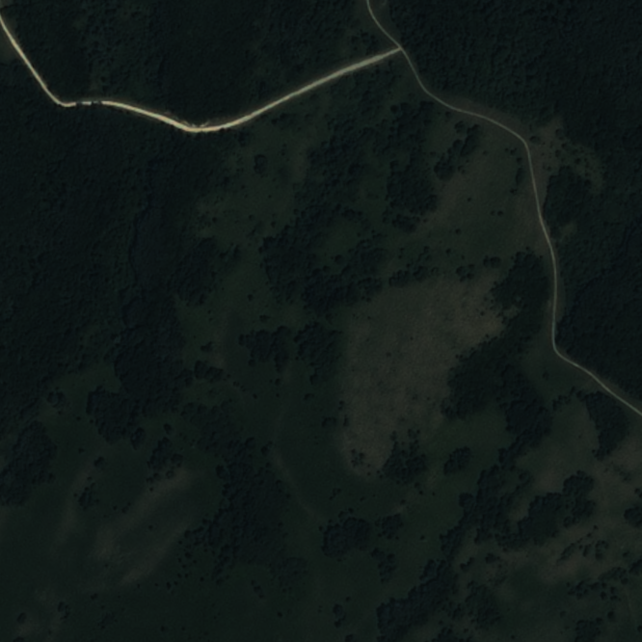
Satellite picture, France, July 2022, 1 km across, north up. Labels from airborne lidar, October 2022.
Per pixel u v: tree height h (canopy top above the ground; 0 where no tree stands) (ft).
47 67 47
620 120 82
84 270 75
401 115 65
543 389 0
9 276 72
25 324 65
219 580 25
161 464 49
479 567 0
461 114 0
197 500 0
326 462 0
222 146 24
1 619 0
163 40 65
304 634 0
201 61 51
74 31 53
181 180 46
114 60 46
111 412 52
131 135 28
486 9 71
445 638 36
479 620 26
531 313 31
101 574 0
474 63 62
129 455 0
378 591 0
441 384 0
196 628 0
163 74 61
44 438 50
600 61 82
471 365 24
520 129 0
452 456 33
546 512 42
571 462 0
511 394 36
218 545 55
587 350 67
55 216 70
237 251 34
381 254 39
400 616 73
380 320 0
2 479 45
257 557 24
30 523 0
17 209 69
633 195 37
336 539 70
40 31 54
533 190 0
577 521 18
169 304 46
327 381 26
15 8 30
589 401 32
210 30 54
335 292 68
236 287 0
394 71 23
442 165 27
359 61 0
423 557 0
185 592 0
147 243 71
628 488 0
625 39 78
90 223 58
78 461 0
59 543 0
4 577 0
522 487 21
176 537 0
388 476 25
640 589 0
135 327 49
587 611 0
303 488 0
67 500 0
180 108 54
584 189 27
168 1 50
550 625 0
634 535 0
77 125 66
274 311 0
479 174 0
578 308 72
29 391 55
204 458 0
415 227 38
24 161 68
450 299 0
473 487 0
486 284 0
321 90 0
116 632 0
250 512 54
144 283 55
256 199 0
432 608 51
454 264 0
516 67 62
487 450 0
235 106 40
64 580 0
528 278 33
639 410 0
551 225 28
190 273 40
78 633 0
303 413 0
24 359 42
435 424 0
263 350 58
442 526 0
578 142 37
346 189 25
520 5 91
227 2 48
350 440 0
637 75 94
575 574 0
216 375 35
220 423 22
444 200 0
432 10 70
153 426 0
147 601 0
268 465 26
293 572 20
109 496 0
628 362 62
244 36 37
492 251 0
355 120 34
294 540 0
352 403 0
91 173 84
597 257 18
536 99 34
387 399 0
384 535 28
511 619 0
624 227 30
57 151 61
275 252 54
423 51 49
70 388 0
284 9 25
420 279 33
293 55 48
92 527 0
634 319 62
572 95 54
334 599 0
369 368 0
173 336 53
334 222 27
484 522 38
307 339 30
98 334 23
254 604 0
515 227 0
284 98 0
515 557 0
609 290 59
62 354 79
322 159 38
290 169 0
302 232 42
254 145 0
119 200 63
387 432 0
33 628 0
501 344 28
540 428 36
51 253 66
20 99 67
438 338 0
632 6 36
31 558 0
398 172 28
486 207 0
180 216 43
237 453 36
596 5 81
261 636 0
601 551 26
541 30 46
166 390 55
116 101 0
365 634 0
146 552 0
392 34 0
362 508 0
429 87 0
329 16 26
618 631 0
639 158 30
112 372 0
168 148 37
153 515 0
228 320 0
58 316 56
